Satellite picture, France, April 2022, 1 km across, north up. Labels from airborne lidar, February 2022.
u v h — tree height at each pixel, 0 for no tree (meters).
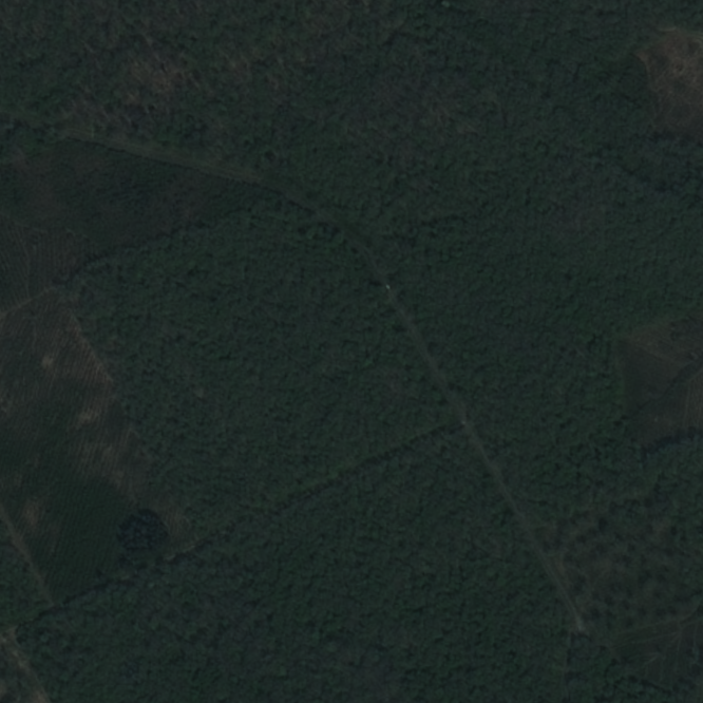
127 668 20
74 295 28
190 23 30
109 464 0
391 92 30
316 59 29
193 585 25
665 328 0
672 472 24
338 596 25
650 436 0
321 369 24
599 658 26
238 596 29
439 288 27
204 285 23
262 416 23
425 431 27
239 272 28
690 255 21
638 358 0
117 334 27
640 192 29
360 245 0
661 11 23
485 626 23
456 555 28
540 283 27
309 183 24
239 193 11
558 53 26
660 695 20
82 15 29
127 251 20
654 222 25
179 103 29
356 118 31
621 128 21
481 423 27
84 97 28
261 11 28
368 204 26
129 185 12
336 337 23
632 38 22
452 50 24
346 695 28
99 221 12
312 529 24
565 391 27
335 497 21
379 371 25
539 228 22
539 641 28
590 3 23
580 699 23
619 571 25
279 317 26
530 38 25
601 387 24
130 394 25
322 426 21
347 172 27
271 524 25
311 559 23
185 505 25
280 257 27
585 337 22
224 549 25
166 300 25
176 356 25
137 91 29
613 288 22
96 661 29
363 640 28
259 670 29
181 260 25
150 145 27
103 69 26
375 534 21
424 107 29
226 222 24
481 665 27
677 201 29
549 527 24
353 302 25
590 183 26
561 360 24
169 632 25
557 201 26
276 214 23
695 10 22
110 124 25
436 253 25
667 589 26
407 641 30
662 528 23
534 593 26
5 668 28
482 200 25
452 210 27
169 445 28
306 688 27
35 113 24
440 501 26
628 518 25
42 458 6
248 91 30
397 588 26
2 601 27
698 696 26
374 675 29
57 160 10
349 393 24
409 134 28
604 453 21
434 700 30
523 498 28
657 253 23
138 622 27
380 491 27
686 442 24
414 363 23
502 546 29
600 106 24
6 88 29
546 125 26
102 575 12
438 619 26
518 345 30
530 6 25
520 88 27
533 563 26
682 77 0
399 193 21
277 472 22
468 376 23
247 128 24
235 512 26
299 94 26
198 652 28
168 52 29
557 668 24
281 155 28
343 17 29
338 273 22
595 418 28
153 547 25
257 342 23
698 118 0
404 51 27
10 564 27
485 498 31
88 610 24
